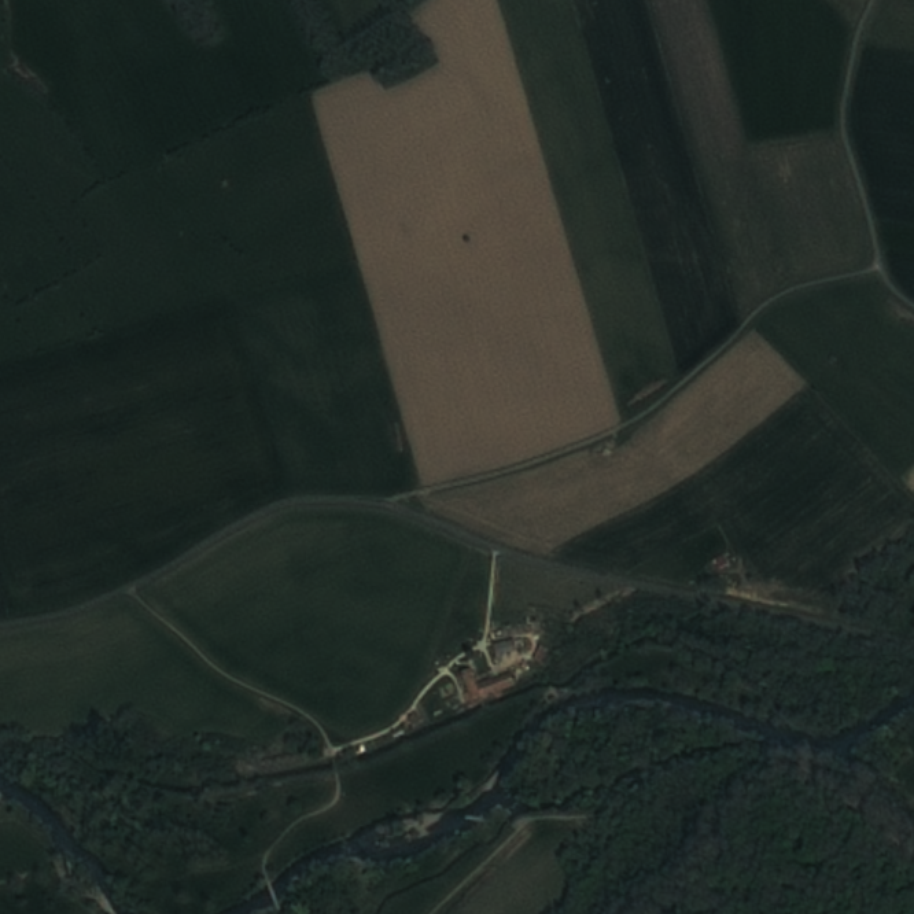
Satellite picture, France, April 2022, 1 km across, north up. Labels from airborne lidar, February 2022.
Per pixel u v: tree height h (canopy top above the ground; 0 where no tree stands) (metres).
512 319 0
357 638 0
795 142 0
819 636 17
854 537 0
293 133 0
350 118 0
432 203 0
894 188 0
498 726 0
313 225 0
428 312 0
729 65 0
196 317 0
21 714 0
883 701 12
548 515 0
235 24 0
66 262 0
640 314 0
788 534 0
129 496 0
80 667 0
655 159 0
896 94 0
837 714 21
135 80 0
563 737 10
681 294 0
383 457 0
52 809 19
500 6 0
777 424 0
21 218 0
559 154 0
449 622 0
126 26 0
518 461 0
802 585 0
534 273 0
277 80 0
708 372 0
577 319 0
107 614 0
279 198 0
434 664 0
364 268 0
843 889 27
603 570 0
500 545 0
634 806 18
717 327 0
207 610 0
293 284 0
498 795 0
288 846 0
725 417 0
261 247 0
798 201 0
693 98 0
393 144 0
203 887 0
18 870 0
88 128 0
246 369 0
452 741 0
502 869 0
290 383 0
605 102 0
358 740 0
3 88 0
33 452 0
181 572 0
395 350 0
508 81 0
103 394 0
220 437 0
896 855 21
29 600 0
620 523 0
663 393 0
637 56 0
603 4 0
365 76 0
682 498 0
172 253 0
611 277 0
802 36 0
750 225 0
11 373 0
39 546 0
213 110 0
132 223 0
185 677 0
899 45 0
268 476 0
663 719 9
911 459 0
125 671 0
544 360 0
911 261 0
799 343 0
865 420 0
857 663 18
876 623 19
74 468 0
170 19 0
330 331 0
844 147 0
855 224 0
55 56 0
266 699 0
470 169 0
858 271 0
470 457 0
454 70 0
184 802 0
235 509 0
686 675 15
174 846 29
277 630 0
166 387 0
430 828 0
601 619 0
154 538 0
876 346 0
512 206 0
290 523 0
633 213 0
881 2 0
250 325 0
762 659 17
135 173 0
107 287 0
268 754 11
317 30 18
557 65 0
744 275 0
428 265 0
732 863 28
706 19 0
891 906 30
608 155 0
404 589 0
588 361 0
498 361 0
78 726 0
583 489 0
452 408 0
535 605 0
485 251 0
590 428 0
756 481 0
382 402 0
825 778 25
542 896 0
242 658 0
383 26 24
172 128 0
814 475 0
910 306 0
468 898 0
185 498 0
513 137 0
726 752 13
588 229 0
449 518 0
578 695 9
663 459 0
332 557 0
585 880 17
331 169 0
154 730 0
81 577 0
